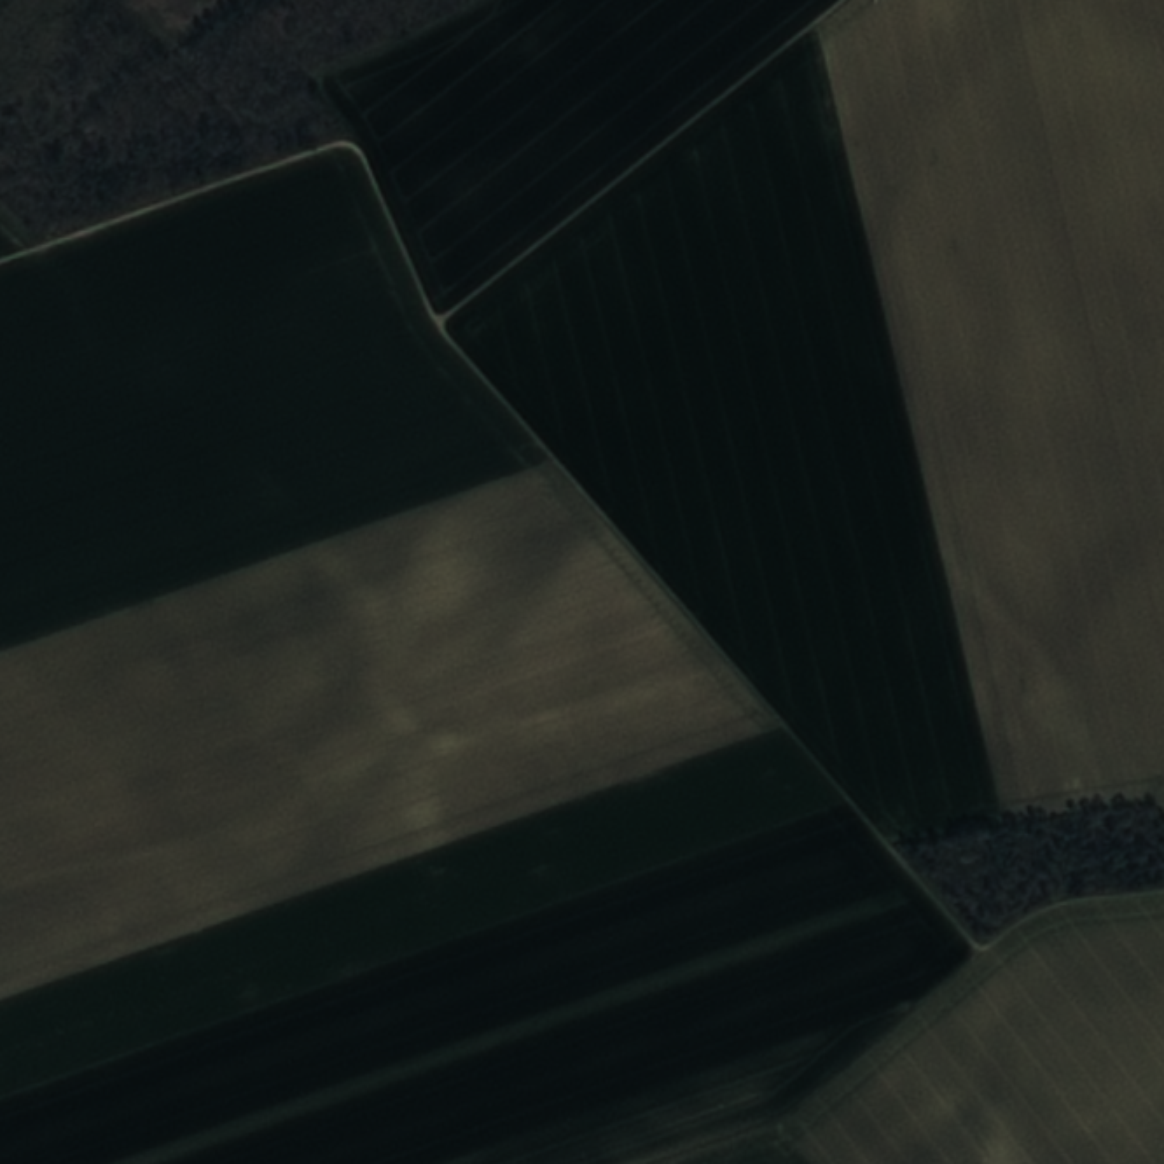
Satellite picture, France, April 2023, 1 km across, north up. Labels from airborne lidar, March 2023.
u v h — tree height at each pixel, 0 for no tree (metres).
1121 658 0
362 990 0
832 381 0
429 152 0
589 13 0
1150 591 0
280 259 0
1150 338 0
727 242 0
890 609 0
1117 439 0
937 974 0
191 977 0
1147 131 0
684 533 0
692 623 0
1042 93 0
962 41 0
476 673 0
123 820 0
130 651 0
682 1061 0
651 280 0
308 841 0
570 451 0
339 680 0
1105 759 0
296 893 0
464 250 0
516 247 0
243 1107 0
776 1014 0
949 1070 0
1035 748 0
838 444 0
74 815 0
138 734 0
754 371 0
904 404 0
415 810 0
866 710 0
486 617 0
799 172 0
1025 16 0
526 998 0
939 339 0
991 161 0
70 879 0
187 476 0
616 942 0
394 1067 0
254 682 0
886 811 0
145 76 19
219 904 0
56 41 0
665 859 0
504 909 0
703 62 0
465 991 0
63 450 0
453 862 0
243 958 0
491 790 0
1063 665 0
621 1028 0
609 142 0
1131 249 0
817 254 0
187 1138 0
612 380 0
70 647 0
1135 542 0
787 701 0
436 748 0
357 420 0
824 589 0
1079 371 0
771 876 0
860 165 0
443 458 0
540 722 0
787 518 0
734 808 0
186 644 0
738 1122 0
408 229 0
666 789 0
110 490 0
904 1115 0
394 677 0
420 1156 0
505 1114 0
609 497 0
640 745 0
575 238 0
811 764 0
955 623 0
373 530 0
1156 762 0
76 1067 0
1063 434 0
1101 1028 0
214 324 0
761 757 0
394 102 0
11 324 0
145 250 0
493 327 0
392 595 0
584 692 0
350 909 0
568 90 0
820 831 0
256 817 0
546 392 0
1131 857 14
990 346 0
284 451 0
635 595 0
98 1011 0
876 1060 0
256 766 0
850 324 0
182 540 0
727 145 0
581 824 0
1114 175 0
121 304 0
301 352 0
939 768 0
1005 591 0
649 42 0
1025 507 0
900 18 0
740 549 0
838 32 0
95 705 0
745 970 0
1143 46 0
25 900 0
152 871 0
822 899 0
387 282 0
